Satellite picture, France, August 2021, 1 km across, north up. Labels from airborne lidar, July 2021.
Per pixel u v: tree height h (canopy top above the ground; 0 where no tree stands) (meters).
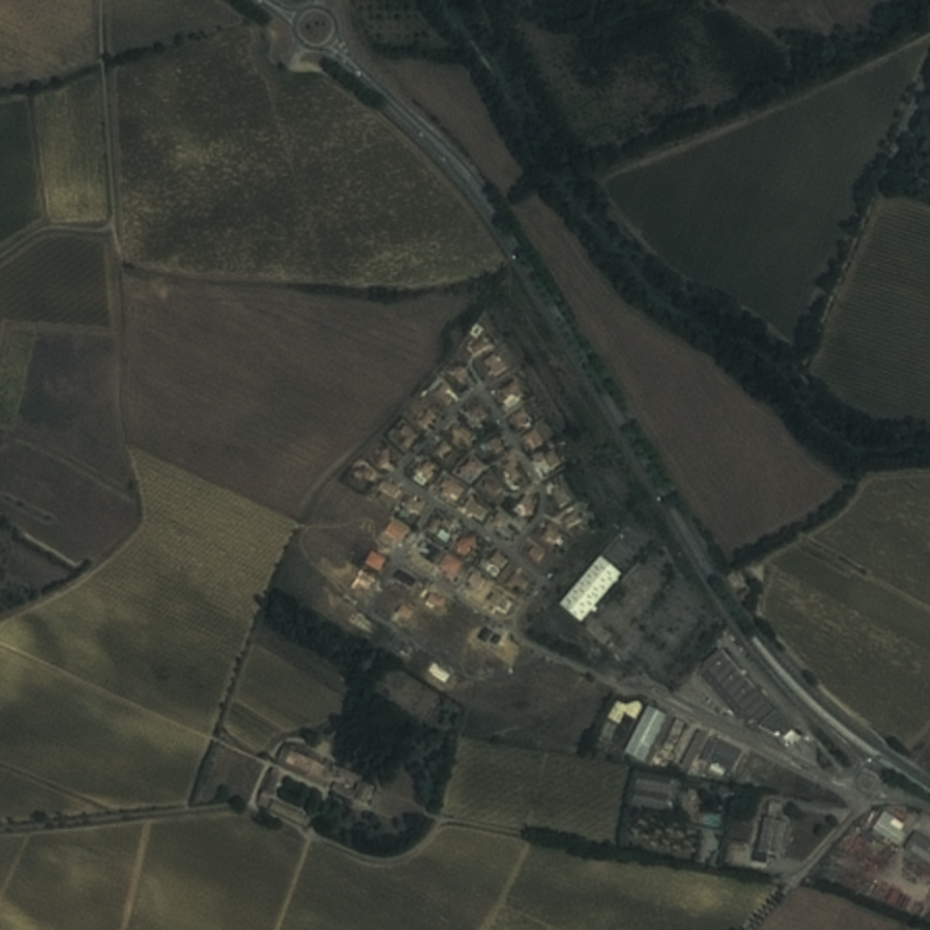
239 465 0
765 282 0
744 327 20
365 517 0
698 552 0
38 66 0
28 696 0
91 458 0
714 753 0
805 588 0
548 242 0
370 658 22
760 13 0
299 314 0
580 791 0
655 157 0
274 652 0
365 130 0
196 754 0
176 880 0
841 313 0
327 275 0
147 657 0
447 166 0
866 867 0
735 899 0
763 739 0
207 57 0
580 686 0
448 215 0
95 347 0
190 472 0
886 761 0
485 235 0
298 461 0
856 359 0
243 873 0
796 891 0
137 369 0
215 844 0
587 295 0
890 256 0
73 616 0
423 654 0
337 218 0
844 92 0
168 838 0
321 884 0
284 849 0
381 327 0
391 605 0
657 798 0
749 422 0
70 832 0
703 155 0
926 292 0
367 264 0
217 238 0
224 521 0
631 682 0
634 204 0
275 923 0
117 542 0
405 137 0
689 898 0
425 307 0
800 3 0
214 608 0
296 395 0
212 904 0
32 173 0
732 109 10
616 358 0
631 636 0
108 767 0
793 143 0
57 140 0
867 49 13
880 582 0
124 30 0
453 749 14
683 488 0
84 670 0
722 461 0
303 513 0
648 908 0
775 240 0
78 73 0
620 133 6
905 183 9
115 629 0
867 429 22
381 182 0
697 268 0
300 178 0
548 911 0
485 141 0
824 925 0
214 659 0
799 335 13
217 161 0
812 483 0
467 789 0
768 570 0
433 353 0
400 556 0
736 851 0
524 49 8
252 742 0
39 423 0
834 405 24
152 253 0
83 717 0
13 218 0
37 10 0
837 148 0
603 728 0
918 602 0
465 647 0
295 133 0
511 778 0
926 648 0
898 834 0
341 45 0
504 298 7
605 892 0
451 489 0
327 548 0
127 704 0
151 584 0
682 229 0
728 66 7
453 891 0
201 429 0
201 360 0
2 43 0
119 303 0
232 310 0
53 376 0
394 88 0
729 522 0
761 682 0
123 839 0
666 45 6
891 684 0
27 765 0
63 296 0
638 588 0
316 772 0
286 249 0
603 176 0
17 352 0
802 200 0
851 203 0
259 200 0
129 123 0
